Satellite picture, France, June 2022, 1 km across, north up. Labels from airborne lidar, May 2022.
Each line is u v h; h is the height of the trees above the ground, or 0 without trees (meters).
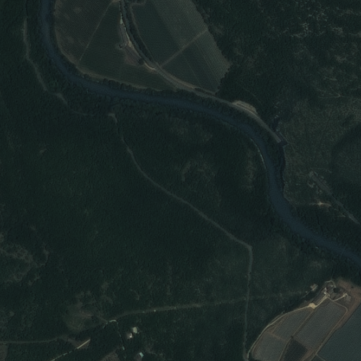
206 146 13
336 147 9
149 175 11
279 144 11
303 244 15
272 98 7
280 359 0
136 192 12
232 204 15
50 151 10
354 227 16
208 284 7
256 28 10
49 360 8
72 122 14
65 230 8
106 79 12
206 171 6
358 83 8
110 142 11
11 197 8
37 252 13
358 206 14
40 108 15
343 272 18
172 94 21
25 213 10
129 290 9
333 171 8
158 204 9
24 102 9
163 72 0
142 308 8
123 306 8
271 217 14
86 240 7
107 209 12
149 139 9
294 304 14
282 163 19
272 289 9
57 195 8
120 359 8
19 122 11
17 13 7
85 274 7
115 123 14
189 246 9
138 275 6
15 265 7
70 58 0
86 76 11
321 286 8
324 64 7
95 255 9
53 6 22
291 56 9
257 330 7
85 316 0
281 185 14
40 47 21
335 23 7
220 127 9
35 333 11
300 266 6
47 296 11
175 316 7
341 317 0
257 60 6
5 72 5
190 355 9
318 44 7
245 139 7
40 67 14
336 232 20
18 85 14
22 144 6
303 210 16
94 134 18
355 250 19
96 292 9
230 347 12
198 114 18
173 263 7
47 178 9
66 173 12
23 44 7
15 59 10
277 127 27
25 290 12
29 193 10
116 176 7
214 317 6
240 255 6
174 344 8
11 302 12
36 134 11
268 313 6
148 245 8
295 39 9
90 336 11
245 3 10
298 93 6
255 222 15
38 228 8
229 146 15
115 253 10
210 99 12
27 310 8
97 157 12
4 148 9
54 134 11
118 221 11
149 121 6
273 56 13
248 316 9
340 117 6
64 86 21
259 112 13
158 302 8
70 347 14
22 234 17
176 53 0
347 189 12
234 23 12
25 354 10
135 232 10
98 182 12
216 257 6
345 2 7
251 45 8
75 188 6
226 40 8
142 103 20
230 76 7
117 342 9
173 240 11
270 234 9
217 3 7
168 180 9
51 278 14
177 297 9
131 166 11
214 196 7
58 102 12
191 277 8
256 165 6
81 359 11
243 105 0
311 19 8
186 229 10
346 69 7
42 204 11
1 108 8
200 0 12
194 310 6
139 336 6
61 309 6
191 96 13
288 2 7
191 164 6
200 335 8
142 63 17
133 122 9
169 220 11
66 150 9
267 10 7
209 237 8
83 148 12
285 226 13
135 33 8
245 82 6
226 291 6
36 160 7
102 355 9
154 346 6
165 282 8
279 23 7
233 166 14
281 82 10
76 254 7
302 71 6
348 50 7
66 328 13
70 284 9
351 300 0
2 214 6
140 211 11
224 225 10
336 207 14
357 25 6
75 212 9
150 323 7
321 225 20
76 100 15
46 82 14
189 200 10
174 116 13
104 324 8
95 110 16
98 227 8
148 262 8
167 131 9
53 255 8
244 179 8
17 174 6
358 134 9
